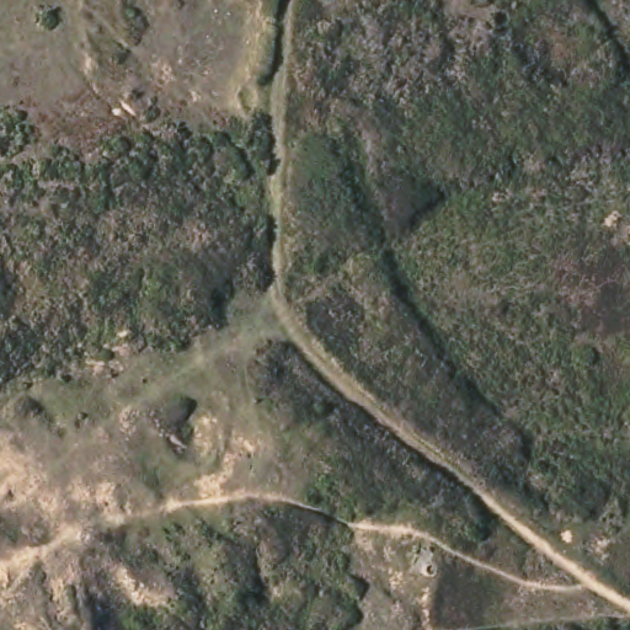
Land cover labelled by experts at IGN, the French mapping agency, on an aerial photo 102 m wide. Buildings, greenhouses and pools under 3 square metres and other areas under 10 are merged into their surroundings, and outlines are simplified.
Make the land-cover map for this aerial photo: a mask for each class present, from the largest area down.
<instances>
[{"label":"herbaceous vegetation","instance_id":"1","mask_svg":"<svg viewBox=\"0 0 630 630\"><path fill-rule=\"evenodd\" d=\"M84 20L91 27H96V34H89L94 71L113 81L126 79V64L130 59V52L123 47L130 39L140 44L150 27V20L145 10L138 7V0H84ZM298 12L293 25V52L283 57L281 69L283 74H288L283 140L285 145L290 140L303 145L305 138L313 133H330L337 138L342 133L340 118L349 116L352 106L357 108L362 103H374L377 91H386L394 98V103H399V108H409L411 86L423 89L426 94L438 86L448 91L458 79H465V59H470L473 54L490 52V34L495 32L497 15V7H475L470 5V0H295ZM586 12L596 15V20L603 25V39L615 54V79L630 81V54L620 39L618 27L610 22L608 12L600 7L598 0H583ZM283 300L288 310L300 313L305 317L308 330L322 342V347L332 357L340 359L347 374L364 384V389L372 391L379 401L394 406L404 421L413 423L418 433H426L443 450L463 453V458L475 468V473L485 480V485L512 514H517L524 524L541 534L556 551L581 564L598 581L608 583L610 588L630 598V514H620L618 500H610L600 509L598 519H581L578 514H564L559 509L549 512V495L539 490L544 475L539 473V465L546 460L554 465L556 458L581 460L586 455H593L596 450L618 453L630 445V150L628 160L618 165H610L608 158H600V162H591V158L581 155V162L571 172V182L566 189H561L559 182L549 180L541 189L507 187L504 192H492V197H485L482 189L475 187L470 192L453 194L433 214H428V219H423L404 244L391 241V253H384L379 263H372L369 253H357L352 261L347 258V263L340 266L337 273H303L290 290L285 288ZM69 374L74 379L66 386L62 377L54 374L34 377L32 389H25V377L20 374L7 384L5 391H0V431H22L34 441L47 428L49 436L66 438L64 428L54 423L57 418H69L74 428H81L86 421H94L98 426L101 418L118 413V428L128 431L130 441L128 458L116 460V473L140 480L160 502H165L167 497H199L197 480L221 470V460L231 450L234 438L239 406L256 404L258 428L263 433H271L281 460L288 465V473L305 487L303 495L308 502L325 504V514H332L337 522H345L354 529V522L362 519L381 524H411L416 529H426L433 536L445 539L455 549H463L482 561L497 564L522 576L527 566V554L534 549L450 470L428 460L421 450L401 441L389 426L379 423L364 406L349 401L303 354V349L295 342H290L283 322L278 320L266 295L258 310L251 317H244L241 327H207L202 337L192 340V347L187 352L177 349V345H167L165 349L148 347L145 354H135L130 349L128 354H116L113 359L103 362L81 359L69 364ZM192 416H214L224 428L221 443L212 441L209 455H202L194 448ZM271 502L241 500L214 507H185L165 512L160 519H130L118 527H108L103 534L96 536L108 544L111 556L133 576L138 568H148L160 559L175 566L180 571L192 568L199 576L204 600L217 598L221 588L231 583V576L219 571V561H224V546H209L199 527L209 519V524L226 534L246 536L251 529L266 522L263 509ZM52 539V532L42 517V507L30 509L27 504H22L15 512H5L0 504V559L10 556L20 546L47 544ZM276 554L271 551L268 541H263L258 546V556L249 559L246 566V571L251 573V588H244L236 596L239 610L244 615H251L268 598L276 600L283 596L303 593L295 583H278L271 591L266 588L263 581L273 573L271 564ZM507 581L492 573H482L458 559H450L438 568L436 591L431 598L433 630H509L507 618H512V608L504 603L502 593V586ZM180 605L175 593L167 598L165 605L153 608L155 620L162 628H170L172 613Z\"/></svg>","mask_w":630,"mask_h":630},{"label":"brushwood","instance_id":"2","mask_svg":"<svg viewBox=\"0 0 630 630\"><path fill-rule=\"evenodd\" d=\"M470 5L475 7H497V15L495 32L490 34V52L473 54L470 59H465V79H458L448 91L438 86L426 94L423 89L411 86L409 108H399V103H394V98L386 91H377L374 103H362L357 108L352 106L349 116L340 118L342 133L337 138L330 133H313L305 138L303 145L300 155L293 162V212L300 219L303 249L293 253V266L285 273V288L290 290L303 273H337L340 266L347 263V258L352 261L357 253H369L372 263H379L384 253H391V241L404 244L423 219H428V214H433L453 194L470 192L475 187L482 189L485 197H492V192H504L507 187L541 189L549 180L559 182L561 189H566L571 182V172L581 162V155L591 158V162H600V158H608L610 165H618L628 160L630 150V81L615 79V54L603 39V25L596 20V15L586 12L583 0H470ZM600 7L608 12L610 22L618 27L620 39L630 54V0H598ZM32 98L17 101V106H0V391H5L7 384L20 374L25 377V389H32L34 377L54 374L62 377L66 386L74 379L69 374V364L81 359L103 362L113 359L116 354H128L130 349L135 354H145L148 347L165 349L167 345H177V349L187 352L192 347V340L202 337L207 327L197 320V315L212 313L209 293L221 285L229 268L239 271V276L234 278L236 293H266L273 283L271 256L276 241V219L271 214V197L266 187L268 177L278 167L271 113L256 111L251 121H241L229 108L219 111L204 103L177 101V108L167 111L160 108V98H153L148 111L135 108L130 116H121V123L111 133L98 138V148L108 150V158L94 165L84 162V155L79 150L54 145L52 153H47L37 143L39 133L27 118ZM539 473L544 475L539 490L549 495V512L559 509L564 514H578L581 519H598L600 509L610 500H618L620 514H630V445L618 453L596 450L593 455H586L581 460L556 458L554 465L546 460L539 465ZM325 504L308 502L305 507H295L276 502H271L263 509L266 522L251 529L246 536L226 534L209 524V519L199 527L209 546H224V561H219V571L231 576V583L221 588L217 598L204 600L199 576L192 568L180 571L175 566L165 576L170 586L175 593L180 605L172 613L170 628H162L155 620L153 608L133 603L128 608V615L123 618V630H357V625L362 623V603L369 591V583L352 568V554H345L340 549L342 544H349L354 539V529L345 522H337L332 514H325ZM263 541H268L271 551L276 554L271 564L273 573L263 581L266 588L271 591L278 583H295L303 593L283 596L276 600L268 598L251 615H244L239 610L236 596L244 588H251V573L246 571V566L249 559L258 556V546ZM517 630H630V618L529 625Z\"/></svg>","mask_w":630,"mask_h":630},{"label":"bare soil","instance_id":"3","mask_svg":"<svg viewBox=\"0 0 630 630\"><path fill-rule=\"evenodd\" d=\"M278 0H138V7L145 10L150 20V27L140 44L130 39L123 47L130 52V59L126 64V79L113 81L94 71L89 34H96V27H91L84 20V0H0V106H17V101L32 98L27 118L39 133L37 143L47 153H52L54 145L79 150L84 155V162L94 165L108 158V150L98 148V138L111 133L121 123V116H130L135 108L148 111L153 98H160V108L167 111L177 108V101L204 103L219 111L229 108L241 121H251L256 111L271 113V84L281 69L283 57L285 15L276 10ZM239 276V271L229 268L221 285L209 293L212 313L197 315V320L207 327H241L244 317H251L258 310L266 295V293H236L234 278ZM246 436L249 441H253V453H246L244 460L234 465V475L221 485V490L231 492L241 487H263L278 492L276 502L295 507H305L308 502L303 495L305 487L288 473V465L281 460L271 433H263L258 428L256 404L239 406L234 438ZM194 448L202 455H209L212 441L221 443L224 428L214 416H192ZM111 556L108 544L96 536H91V541L79 554V581H74L66 588L74 610L71 625L57 615L54 593L39 561L32 564L27 578L20 583V598L7 605H0V630H123V618L128 615V608L133 603L118 586V581L101 568L103 559ZM532 581H554L564 586L578 583L576 576H571L566 568H561L549 556L534 549L527 554V566L522 576ZM175 566L160 559L148 568H138L133 576V581L143 583L148 591H167L170 586L165 576ZM502 593L504 603L512 608V618H507L509 630H517L529 625L630 618V615L588 588L581 593H551L517 588L507 581L502 586Z\"/></svg>","mask_w":630,"mask_h":630},{"label":"pervious surface","instance_id":"4","mask_svg":"<svg viewBox=\"0 0 630 630\"><path fill-rule=\"evenodd\" d=\"M276 10L285 15L283 57L293 52V25L298 12L295 0H278ZM288 74H283L281 69L271 84V113L278 167L268 177L266 187L271 197V214L276 219V241L271 256L273 283L266 293V295L278 320L283 322L290 342H295L303 349V354L349 401L364 406L379 423L389 426L401 441L421 450L428 460L450 470L534 549L549 556L561 568H566L571 576H576L578 583L564 586L554 581H532L522 576L497 564L482 561L463 549H455L445 539L433 536L426 529H416L411 524H381L362 519L354 522V539L349 544H342L340 549L345 554H352V568L369 583V591L362 603V623L357 625V630H433L431 598L436 591L438 568L450 559H458L482 573H492L507 581L517 588L551 593H581L588 588L630 615V598L610 588L608 583L598 581L581 564L556 551L541 534L524 524L517 514H512L485 485V480L475 473V468L463 458V453L443 450L426 433H418L413 423L404 421L394 406L379 401L372 391L364 389V384L347 374L340 359L332 357L322 347V342L308 330L305 317L300 313L288 310L283 300L285 288V273L293 266V253L303 249L300 219L293 212V162L300 155L303 145L290 140L285 145L283 140ZM54 423L64 428L66 438L49 436L47 428L34 441L22 431H0V504L5 512H15L22 504H27L30 509L42 507V517L52 532V539L47 544L20 546L10 556L0 559V605H7L20 598V583L27 578L32 564L39 561L54 593L57 615L71 625L74 610L66 588L74 581H79V554L91 541V536H96L103 534L108 527H118L130 519H160L165 512L185 507H214L241 500L271 502H276L278 492L263 487H241L231 492L221 490V485L234 475V465L244 460L246 453H253V441H249L246 436L234 438L231 450L221 460V470L197 480L199 497H167L165 502H160L140 480L116 473V460L128 458L130 441L128 431L118 428V413L101 418L98 426L94 421H86L81 428H74L69 418H57ZM101 568L118 581V586L133 603L153 608L165 605L167 598L175 593L170 586L167 591H148L143 583L133 581V576L111 556L103 559Z\"/></svg>","mask_w":630,"mask_h":630}]
</instances>
